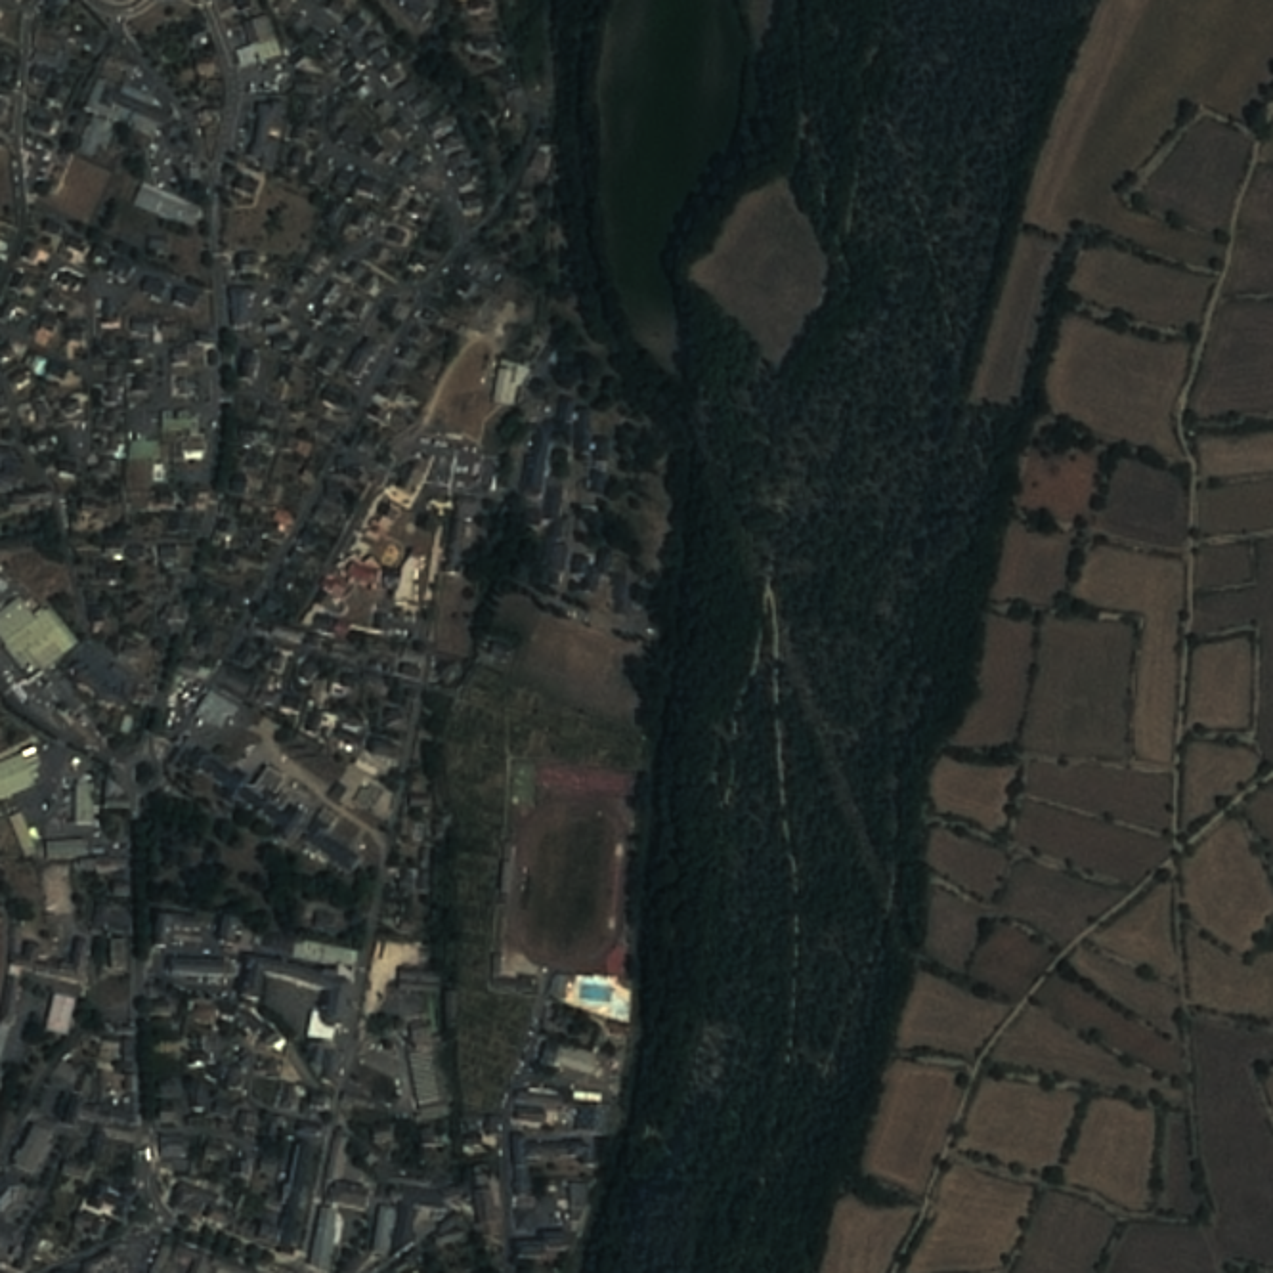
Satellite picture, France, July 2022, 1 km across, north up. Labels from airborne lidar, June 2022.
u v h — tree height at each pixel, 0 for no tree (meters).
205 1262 0
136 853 15
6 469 0
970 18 11
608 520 17
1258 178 0
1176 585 0
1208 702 0
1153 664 0
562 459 14
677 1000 17
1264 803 0
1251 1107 0
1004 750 7
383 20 7
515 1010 0
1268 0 0
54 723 0
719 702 11
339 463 7
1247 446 0
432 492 0
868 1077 13
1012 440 12
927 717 11
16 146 0
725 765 10
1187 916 6
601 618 0
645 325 0
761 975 8
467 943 0
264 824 10
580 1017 15
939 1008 0
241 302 0
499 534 15
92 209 0
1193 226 0
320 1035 0
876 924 10
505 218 5
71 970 0
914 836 8
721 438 11
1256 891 0
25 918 7
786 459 9
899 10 10
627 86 0
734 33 0
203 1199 0
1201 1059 0
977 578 12
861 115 10
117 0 0
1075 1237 0
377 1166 0
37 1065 8
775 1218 12
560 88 7
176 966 0
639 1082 9
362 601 0
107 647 6
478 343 0
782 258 0
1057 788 0
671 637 15
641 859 17
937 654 10
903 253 6
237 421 7
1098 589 0
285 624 9
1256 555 0
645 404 18
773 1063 12
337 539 6
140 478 0
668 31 0
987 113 8
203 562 12
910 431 6
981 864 0
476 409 0
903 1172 0
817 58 11
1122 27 0
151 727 13
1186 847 7
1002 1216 0
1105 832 0
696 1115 9
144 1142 0
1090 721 0
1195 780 0
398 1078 0
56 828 0
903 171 7
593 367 30
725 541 7
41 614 0
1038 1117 0
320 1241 0
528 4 6
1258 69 0
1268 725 0
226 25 0
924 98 10
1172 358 0
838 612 7
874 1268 0
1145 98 0
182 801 11
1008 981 0
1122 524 0
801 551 8
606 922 0
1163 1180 6
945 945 0
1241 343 0
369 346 0
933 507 10
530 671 0
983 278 6
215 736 0
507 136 10
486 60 6
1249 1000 0
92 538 6
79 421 0
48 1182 8
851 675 5
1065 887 0
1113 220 0
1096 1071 0
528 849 0
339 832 0
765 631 7
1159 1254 0
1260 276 0
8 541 10
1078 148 0
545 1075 12
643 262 0
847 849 6
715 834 10
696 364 22
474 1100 0
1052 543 0
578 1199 0
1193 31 0
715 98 0
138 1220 9
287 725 12
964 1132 10
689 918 17
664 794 13
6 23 0
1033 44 11
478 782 0
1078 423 7
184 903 10
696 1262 10
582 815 0
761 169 23
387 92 0
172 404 0
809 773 7
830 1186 12
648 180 0
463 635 0
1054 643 0
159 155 0
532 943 0
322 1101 0
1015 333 0
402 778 7
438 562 0
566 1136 0
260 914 9
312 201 9
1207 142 0
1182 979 0
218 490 12
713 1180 11
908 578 7
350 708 11
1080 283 0
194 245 0
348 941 14
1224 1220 0
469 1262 8
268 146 0
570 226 18
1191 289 0
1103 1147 0
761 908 6
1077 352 0
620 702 0
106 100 0
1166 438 0
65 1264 0
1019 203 11
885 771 10
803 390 6
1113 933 0
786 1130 10
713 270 0
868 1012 7
